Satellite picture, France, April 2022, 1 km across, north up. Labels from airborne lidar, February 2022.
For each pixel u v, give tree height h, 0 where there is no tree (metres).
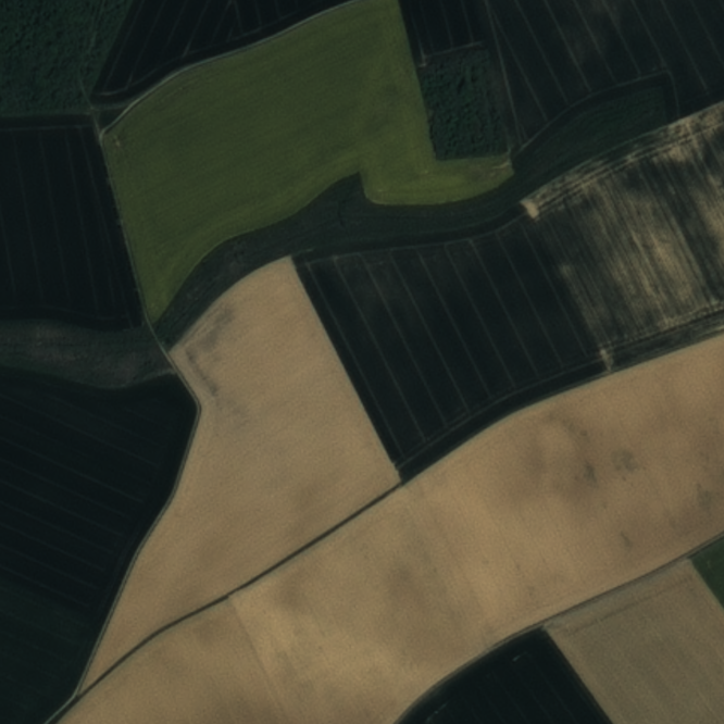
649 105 0
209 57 0
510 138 0
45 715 0
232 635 0
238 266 0
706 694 0
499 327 0
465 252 0
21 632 0
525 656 0
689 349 0
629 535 0
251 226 0
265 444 0
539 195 0
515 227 0
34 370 0
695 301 0
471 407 0
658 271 0
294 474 0
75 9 18
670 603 0
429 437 0
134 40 0
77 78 12
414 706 0
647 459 0
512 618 0
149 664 0
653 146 0
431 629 0
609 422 0
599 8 0
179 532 0
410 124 0
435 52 0
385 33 0
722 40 0
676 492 0
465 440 0
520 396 0
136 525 0
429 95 8
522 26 0
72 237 0
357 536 0
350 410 0
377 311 0
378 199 0
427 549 0
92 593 0
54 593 0
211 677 0
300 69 0
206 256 0
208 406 0
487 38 0
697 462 0
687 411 0
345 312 0
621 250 0
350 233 0
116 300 0
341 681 0
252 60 0
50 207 0
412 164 0
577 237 0
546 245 0
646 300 0
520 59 0
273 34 0
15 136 0
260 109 0
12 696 0
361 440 0
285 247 0
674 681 0
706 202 0
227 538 0
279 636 0
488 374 0
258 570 0
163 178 0
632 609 0
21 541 0
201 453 0
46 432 0
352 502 0
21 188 0
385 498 0
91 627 0
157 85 0
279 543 0
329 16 0
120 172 0
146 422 0
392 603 0
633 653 0
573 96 0
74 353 0
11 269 0
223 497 0
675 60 0
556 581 0
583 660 0
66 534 0
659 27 0
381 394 0
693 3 0
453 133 7
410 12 0
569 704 0
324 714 0
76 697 0
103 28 10
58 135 0
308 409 0
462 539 0
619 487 0
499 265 0
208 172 0
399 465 0
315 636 0
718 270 0
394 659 0
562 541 0
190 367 0
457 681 0
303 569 0
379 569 0
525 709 0
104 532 0
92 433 0
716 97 0
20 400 0
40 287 0
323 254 0
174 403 0
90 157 0
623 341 0
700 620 0
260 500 0
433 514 0
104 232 0
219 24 0
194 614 0
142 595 0
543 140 0
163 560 0
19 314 0
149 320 0
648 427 0
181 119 0
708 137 0
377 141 0
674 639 0
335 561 0
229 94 0
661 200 0
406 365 0
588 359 0
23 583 0
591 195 0
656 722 0
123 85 0
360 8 0
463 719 0
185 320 0
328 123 0
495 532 0
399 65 0
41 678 0
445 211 0
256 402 0
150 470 0
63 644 0
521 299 0
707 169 0
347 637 0
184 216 0
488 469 0
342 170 0
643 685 0
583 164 0
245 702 0
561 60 0
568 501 0
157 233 0
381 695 0
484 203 0
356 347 0
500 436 0
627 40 0
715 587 0
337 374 0
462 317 0
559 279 0
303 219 0
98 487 0
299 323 0
